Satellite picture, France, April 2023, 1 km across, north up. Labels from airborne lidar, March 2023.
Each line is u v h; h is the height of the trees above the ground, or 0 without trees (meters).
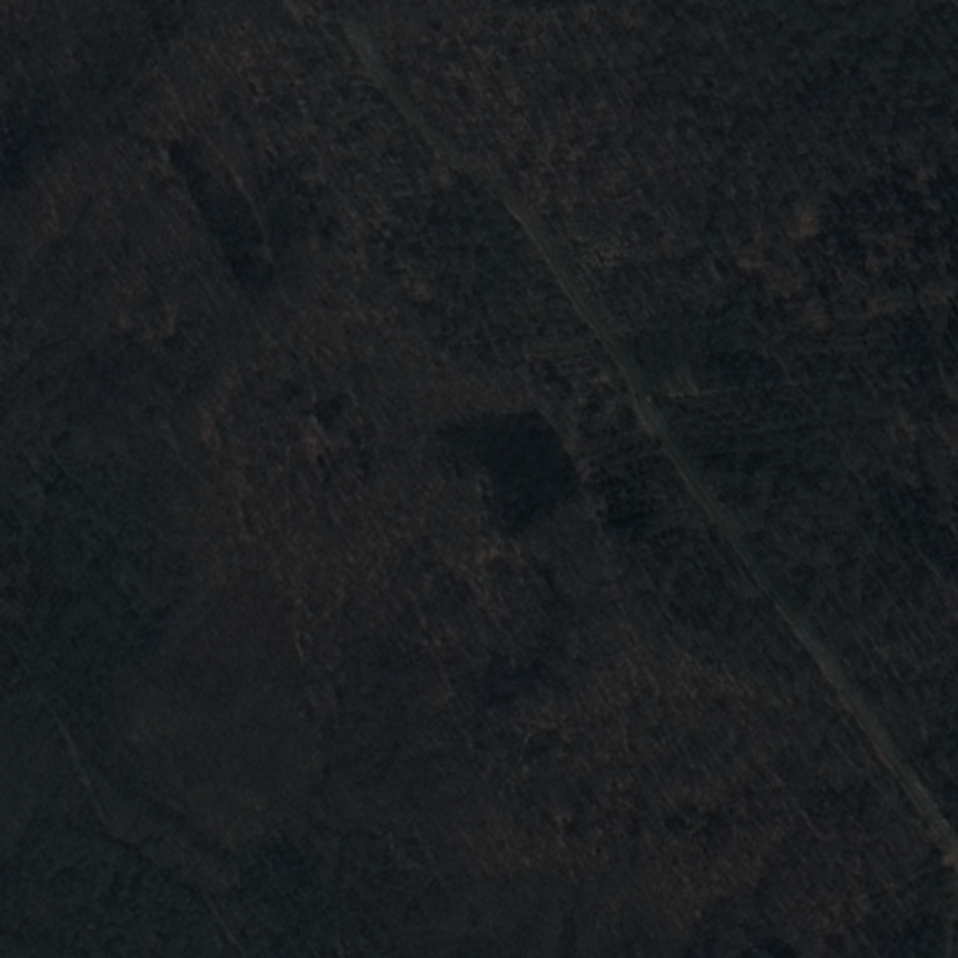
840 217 11
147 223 24
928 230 26
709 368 22
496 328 19
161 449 26
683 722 26
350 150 27
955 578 26
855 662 24
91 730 22
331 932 24
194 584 29
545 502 13
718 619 23
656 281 22
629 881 27
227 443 25
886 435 27
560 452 23
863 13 22
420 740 25
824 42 26
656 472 7
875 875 22
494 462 26
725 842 24
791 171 27
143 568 20
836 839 22
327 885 23
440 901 18
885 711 25
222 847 13
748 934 28
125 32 25
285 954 28
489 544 20
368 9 23
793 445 11
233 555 28
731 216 26
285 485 25
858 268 28
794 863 26
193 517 22
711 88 16
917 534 28
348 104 27
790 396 10
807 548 22
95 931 27
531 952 24
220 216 21
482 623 25
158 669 19
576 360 0
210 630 16
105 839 19
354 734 32
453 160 0
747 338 23
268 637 17
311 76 26
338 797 25
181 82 24
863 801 8
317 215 22
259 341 20
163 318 23
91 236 28
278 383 26
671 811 25
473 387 22
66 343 22
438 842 23
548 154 22
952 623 25
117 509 13
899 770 0
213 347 23
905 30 21
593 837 28
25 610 25
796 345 15
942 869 20
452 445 25
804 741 21
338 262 23
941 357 20
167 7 24
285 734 17
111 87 19
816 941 24
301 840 20
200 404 23
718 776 25
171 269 23
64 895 31
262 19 26
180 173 20
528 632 23
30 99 22
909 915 23
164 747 20
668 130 25
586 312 0
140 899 25
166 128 25
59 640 21
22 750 17
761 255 26
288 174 21
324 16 19
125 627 10
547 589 20
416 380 23
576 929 26
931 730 24
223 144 22
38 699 16
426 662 27
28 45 22
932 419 26
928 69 24
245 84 23
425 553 22
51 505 26
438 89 22
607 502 12
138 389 29
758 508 26
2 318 22
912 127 22
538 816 24
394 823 24
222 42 24
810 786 21
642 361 22
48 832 23
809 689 24
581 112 26
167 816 13
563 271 0
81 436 19
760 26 24
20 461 25
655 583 23
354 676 28
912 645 18
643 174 26
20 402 18
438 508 26
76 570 30
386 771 27
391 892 18
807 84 22
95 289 23
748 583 25
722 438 17
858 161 19
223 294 26
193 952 21
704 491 0
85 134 23
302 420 17
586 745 24
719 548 21
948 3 8
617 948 29
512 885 19
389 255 22
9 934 32
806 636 0
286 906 24
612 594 22
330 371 27
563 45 28
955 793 23
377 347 26
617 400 10
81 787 19
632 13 30
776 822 24
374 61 0
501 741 25
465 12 24
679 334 24
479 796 27
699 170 28
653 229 23
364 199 25
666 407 18
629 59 26
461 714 18
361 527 21
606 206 22
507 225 23
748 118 24
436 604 16
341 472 21
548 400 22
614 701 25
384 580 25
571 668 24
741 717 23
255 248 23
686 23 23
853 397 23
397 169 25
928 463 25
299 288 23
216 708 20
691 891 27
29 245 27
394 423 25
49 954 27
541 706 23
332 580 25
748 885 26
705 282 21
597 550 20
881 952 25
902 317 6
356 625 29
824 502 25
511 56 25
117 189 29
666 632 23
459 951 14
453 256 19
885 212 30
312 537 23
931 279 30
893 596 26
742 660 23
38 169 22
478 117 29
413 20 25
